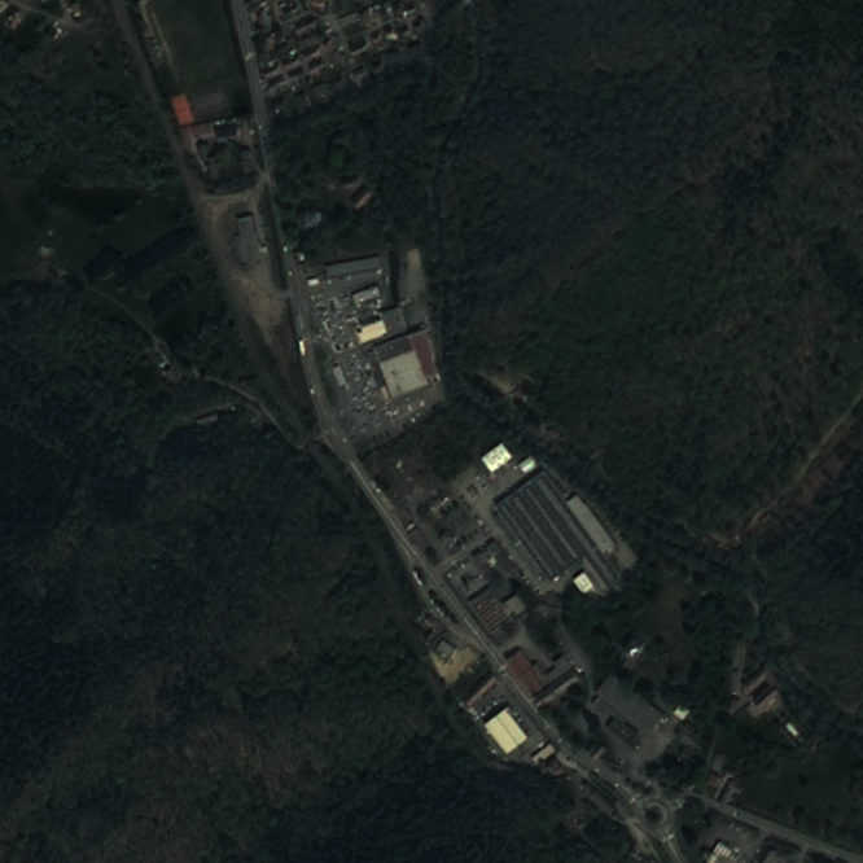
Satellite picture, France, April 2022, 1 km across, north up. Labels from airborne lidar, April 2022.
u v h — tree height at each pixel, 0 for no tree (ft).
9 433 29
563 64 60
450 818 83
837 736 58
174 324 0
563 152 68
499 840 79
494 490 0
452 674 0
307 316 0
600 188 51
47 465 32
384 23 0
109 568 93
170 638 85
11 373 109
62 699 98
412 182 85
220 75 0
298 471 83
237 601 79
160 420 74
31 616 87
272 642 92
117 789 93
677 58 70
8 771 79
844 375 78
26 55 43
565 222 42
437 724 79
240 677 79
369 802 73
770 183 84
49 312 92
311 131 46
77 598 96
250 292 0
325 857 85
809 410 65
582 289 29
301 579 74
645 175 50
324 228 65
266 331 0
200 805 84
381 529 67
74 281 47
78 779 78
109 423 85
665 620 0
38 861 89
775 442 89
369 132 102
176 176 45
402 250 0
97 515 46
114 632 93
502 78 60
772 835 32
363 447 0
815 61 70
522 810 63
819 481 0
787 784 0
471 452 24
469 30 52
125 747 88
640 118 76
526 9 61
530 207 43
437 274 72
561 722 25
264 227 0
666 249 49
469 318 24
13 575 96
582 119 93
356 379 0
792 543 76
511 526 0
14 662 81
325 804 91
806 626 57
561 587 0
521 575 0
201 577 86
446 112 74
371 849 92
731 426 83
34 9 0
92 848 72
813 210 77
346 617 98
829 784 0
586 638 73
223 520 96
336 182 37
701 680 73
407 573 71
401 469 0
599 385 43
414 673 85
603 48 55
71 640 58
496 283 54
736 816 0
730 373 75
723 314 54
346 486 42
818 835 50
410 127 92
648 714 0
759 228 28
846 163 26
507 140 31
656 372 52
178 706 98
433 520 48
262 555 89
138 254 0
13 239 0
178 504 93
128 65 32
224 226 0
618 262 41
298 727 84
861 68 89
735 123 33
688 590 0
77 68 0
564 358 60
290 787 80
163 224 0
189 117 0
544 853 82
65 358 70
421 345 0
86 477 73
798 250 98
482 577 0
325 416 0
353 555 30
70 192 0
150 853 65
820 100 78
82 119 67
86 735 80
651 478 48
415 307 0
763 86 52
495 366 29
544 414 49
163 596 93
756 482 72
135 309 0
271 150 68
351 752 91
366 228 91
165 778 87
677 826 0
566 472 53
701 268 55
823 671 64
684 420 72
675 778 58
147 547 88
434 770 73
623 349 62
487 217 48
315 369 0
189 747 78
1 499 36
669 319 48
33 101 64
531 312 22
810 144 77
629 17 66
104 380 79
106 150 72
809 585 77
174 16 0
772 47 40
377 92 92
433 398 0
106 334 66
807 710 44
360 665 101
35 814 58
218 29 0
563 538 0
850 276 82
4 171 0
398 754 94
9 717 90
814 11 33
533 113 41
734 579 66
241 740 76
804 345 98
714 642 68
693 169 29
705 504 73
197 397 24
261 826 109
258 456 71
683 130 72
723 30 51
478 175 48
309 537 71
